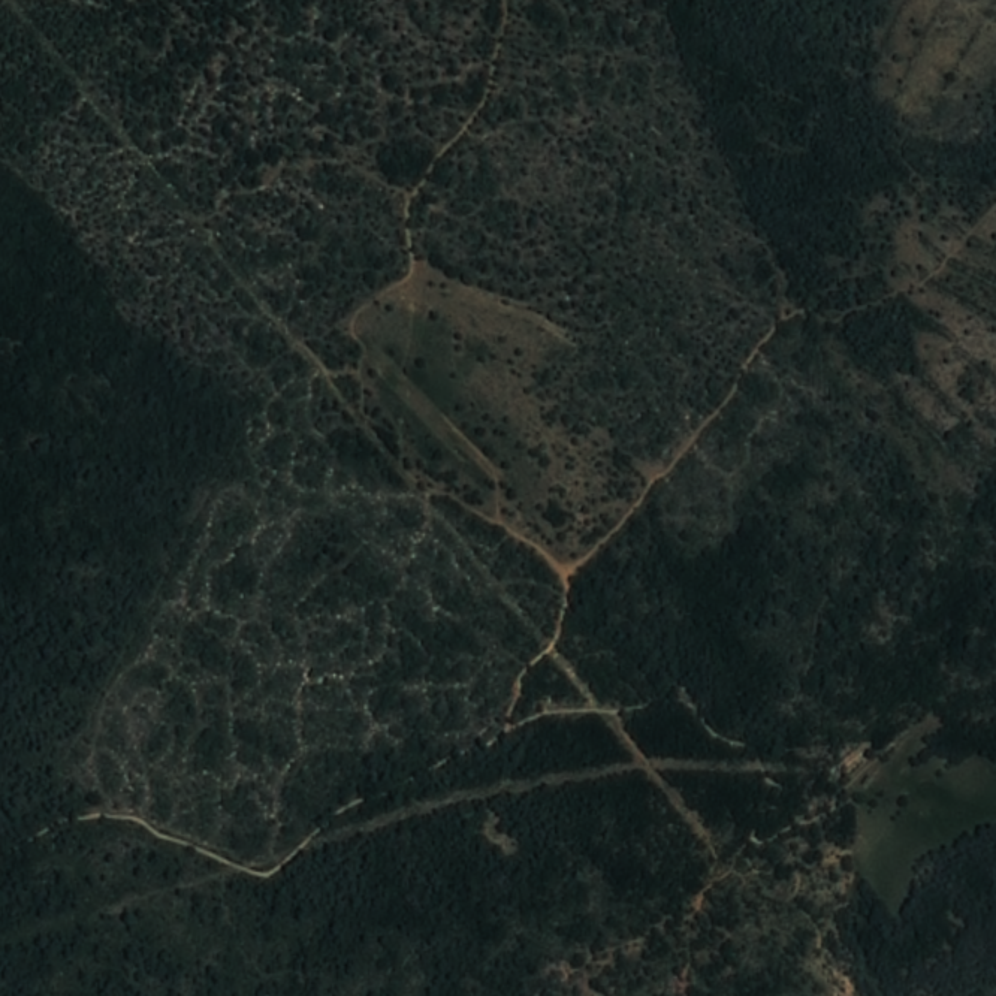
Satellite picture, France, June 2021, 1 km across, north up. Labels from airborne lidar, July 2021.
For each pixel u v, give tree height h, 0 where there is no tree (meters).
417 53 9
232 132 12
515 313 0
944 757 9
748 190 9
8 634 11
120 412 6
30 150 8
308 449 9
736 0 11
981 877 14
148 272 11
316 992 17
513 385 0
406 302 0
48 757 7
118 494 6
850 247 12
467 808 9
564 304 13
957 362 0
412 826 10
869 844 0
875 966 8
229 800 8
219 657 8
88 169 9
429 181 11
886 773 0
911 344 13
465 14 9
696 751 9
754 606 6
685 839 6
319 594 6
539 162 0
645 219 10
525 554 7
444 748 8
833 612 9
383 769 18
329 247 6
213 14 13
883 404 0
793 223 12
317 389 7
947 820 0
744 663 11
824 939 7
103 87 8
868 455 16
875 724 7
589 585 11
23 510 9
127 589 13
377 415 11
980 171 10
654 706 10
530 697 9
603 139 8
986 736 11
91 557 20
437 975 8
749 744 10
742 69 14
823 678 11
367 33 11
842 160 11
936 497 7
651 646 8
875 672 8
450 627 7
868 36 10
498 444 0
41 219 11
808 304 13
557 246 6
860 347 13
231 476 5
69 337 10
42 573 8
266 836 6
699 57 10
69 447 18
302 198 9
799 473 7
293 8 7
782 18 18
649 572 12
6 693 15
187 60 14
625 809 13
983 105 11
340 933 12
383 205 10
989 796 0
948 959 8
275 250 6
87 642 14
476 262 6
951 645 13
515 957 13
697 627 11
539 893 7
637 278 12
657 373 8
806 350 7
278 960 8
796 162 7
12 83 7
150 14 12
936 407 0
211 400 6
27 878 9
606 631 8
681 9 10
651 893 6
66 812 14
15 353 10
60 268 9
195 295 6
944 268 0
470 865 8
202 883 0
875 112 12
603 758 10
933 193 8
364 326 0
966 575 9
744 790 9
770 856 9
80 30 10
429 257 10
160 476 15
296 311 7
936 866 7
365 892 9
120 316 10
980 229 0
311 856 8
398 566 0
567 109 8
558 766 18
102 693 9
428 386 0
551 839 17
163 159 8
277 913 18
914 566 15
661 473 0
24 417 9
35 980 7
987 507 7
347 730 6
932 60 0
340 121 8
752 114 7
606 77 9
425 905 11
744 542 10
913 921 15
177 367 14
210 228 13
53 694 14
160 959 11
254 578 7
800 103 8
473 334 0
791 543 7
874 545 9
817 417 8
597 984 10
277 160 13
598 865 9
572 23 7
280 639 7
